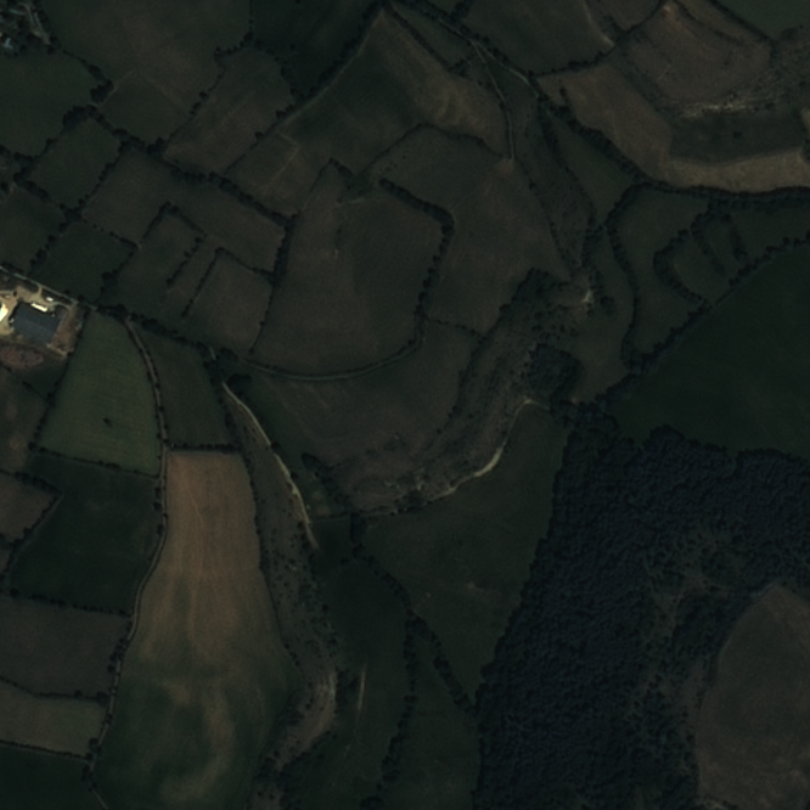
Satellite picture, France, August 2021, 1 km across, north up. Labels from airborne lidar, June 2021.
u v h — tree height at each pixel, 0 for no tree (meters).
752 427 0
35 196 9
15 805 0
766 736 0
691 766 6
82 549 0
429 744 0
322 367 0
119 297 0
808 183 0
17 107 0
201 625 0
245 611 0
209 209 0
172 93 0
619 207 11
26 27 11
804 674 0
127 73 0
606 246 0
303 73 0
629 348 9
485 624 0
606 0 0
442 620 0
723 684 0
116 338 0
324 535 0
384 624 0
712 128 0
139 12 0
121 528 0
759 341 0
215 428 0
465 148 0
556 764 19
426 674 0
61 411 0
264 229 0
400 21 8
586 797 16
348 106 0
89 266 0
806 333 0
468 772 0
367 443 0
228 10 0
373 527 0
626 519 18
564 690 16
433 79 0
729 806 6
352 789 0
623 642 16
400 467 0
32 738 0
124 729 0
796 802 0
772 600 0
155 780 0
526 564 0
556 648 16
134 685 0
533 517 0
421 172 0
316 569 9
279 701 0
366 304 0
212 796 0
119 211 0
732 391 0
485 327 0
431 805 0
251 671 0
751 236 0
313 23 0
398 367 0
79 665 0
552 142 13
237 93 0
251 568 0
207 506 0
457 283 0
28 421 0
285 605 0
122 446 0
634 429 0
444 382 0
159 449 0
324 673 0
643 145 0
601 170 0
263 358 0
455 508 0
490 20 0
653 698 11
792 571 8
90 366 0
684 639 13
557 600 17
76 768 0
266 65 0
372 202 0
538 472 0
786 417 0
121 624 0
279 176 0
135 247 10
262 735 0
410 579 0
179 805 0
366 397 0
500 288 0
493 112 0
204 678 0
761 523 17
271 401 0
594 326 0
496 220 0
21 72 0
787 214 0
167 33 0
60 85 0
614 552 16
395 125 0
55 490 9
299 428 0
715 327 0
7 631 0
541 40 0
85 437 0
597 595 21
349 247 0
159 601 0
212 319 0
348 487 0
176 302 0
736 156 0
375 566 14
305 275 0
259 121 0
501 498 0
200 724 0
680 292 9
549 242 0
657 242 0
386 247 0
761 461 18
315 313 0
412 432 0
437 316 0
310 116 0
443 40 0
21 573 0
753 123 0
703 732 0
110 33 0
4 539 12
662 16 0
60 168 0
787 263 0
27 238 0
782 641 0
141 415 0
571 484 16
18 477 9
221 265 0
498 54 12
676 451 16
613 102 0
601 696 15
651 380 0
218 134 0
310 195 0
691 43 0
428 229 0
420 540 0
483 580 0
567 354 7
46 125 0
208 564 0
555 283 11
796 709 0
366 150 0
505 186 0
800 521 17
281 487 0
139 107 0
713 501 21
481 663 0
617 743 10
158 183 0
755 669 0
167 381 0
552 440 0
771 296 0
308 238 0
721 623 11
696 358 0
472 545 0
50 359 0
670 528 15
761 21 0
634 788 10
